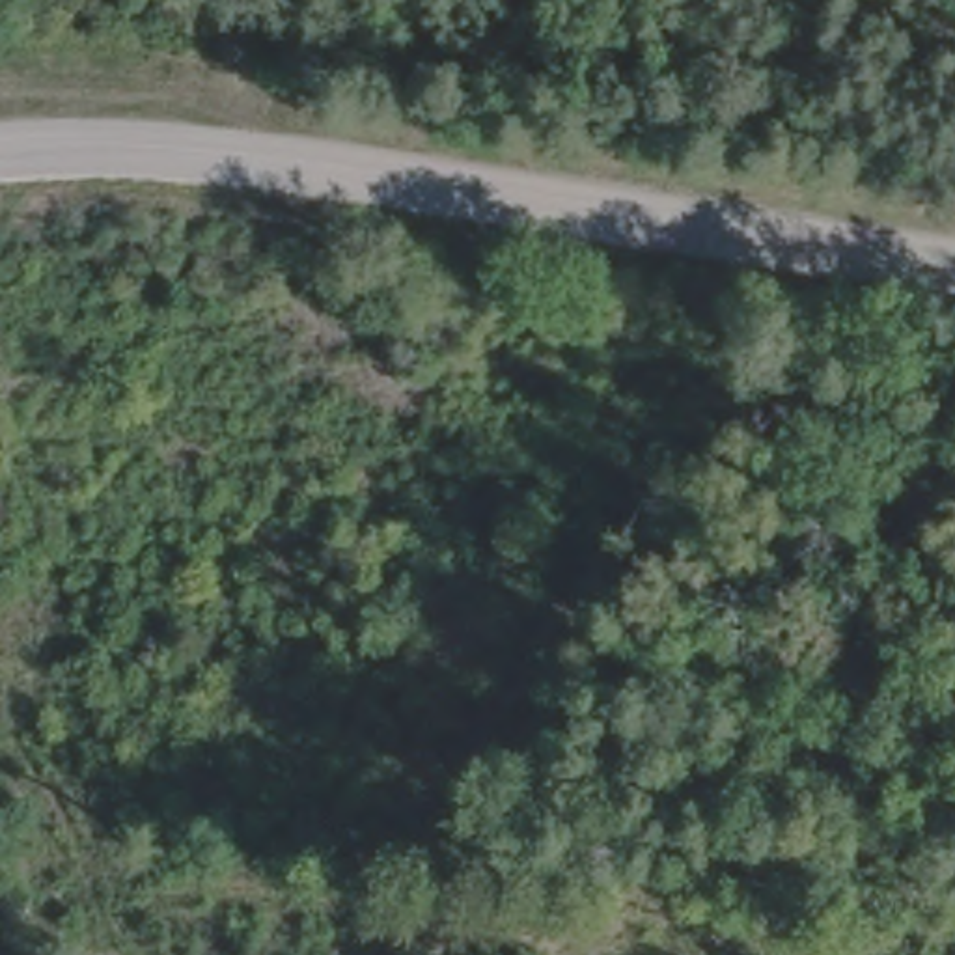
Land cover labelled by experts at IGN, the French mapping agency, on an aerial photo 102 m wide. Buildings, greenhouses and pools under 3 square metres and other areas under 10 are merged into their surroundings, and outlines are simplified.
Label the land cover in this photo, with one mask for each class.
<instances>
[{"label":"brushwood","instance_id":"1","mask_svg":"<svg viewBox=\"0 0 955 955\"><path fill-rule=\"evenodd\" d=\"M504 235L500 224H478L470 216H422L388 201L354 205L339 198H298L254 183H0V787L11 798L37 795L41 802L37 854L26 865L7 869L11 895H19V918L30 929H37L41 940H48L60 955H328L336 944V892L325 884L321 862L332 851L377 847L381 832L392 824L422 828L433 813L444 810L448 787L470 768L474 750L481 746L489 731L511 727L530 709L537 638L545 630H567L574 616L586 608V601L601 589L608 545L616 533L627 530L634 507L653 496L660 481L690 474V455H701L709 463L731 399V369L724 362L727 343L720 332V313L742 291L746 276L735 261L675 254L660 242L638 246L627 239H589V250L608 261L612 295L623 302V328L604 339V347H556L545 343L541 332L515 336L511 313L489 310V302L481 298V269L500 250Z\"/></svg>","mask_w":955,"mask_h":955},{"label":"deciduous trees","instance_id":"2","mask_svg":"<svg viewBox=\"0 0 955 955\"><path fill-rule=\"evenodd\" d=\"M37 4L48 15L60 7L71 19L86 15L93 22L90 37L97 45L142 41L153 52H194V11H164L157 0H0V45H15L22 41L30 26V7ZM537 37L552 45L545 48L541 75L533 78L526 67H492L489 75L459 71V116L466 127H478L485 145H496L504 123L511 119H519L533 142H548L552 134H560L567 112L578 108L589 142L604 153H612V138L634 116V93L623 86V75L616 67L601 71L597 86L586 90V71L597 48H627L619 0H545L537 4ZM481 298L489 302V310L511 313L515 336L541 332L545 343L556 347H604V339L623 328V302L612 295L608 261L589 250V239L574 235V224L567 216H526L519 231L504 235L500 250L481 269ZM783 295L791 298L795 351L836 347L847 392L836 403L813 399L810 410H795L791 418H783L776 436L768 440V470L746 466L739 504L750 511L761 492L776 496L780 530L768 541L776 563L765 571L709 578L705 586H675L679 608L671 612V627L657 649L660 668L657 679L642 686L645 709L638 739L657 742V754H686L690 765L686 780L653 791V813L664 832L705 824L709 865L694 877L701 899L690 903V918L679 921L645 895L649 858L634 854L627 862L612 858V851L604 847L612 836H623V810L608 802L597 768L582 776H560L552 768L526 772V761L519 754L481 746L474 750L470 768L448 787L444 810L433 813L422 828L392 824L381 832L377 847L332 851L321 862L325 884L336 892V944L328 955H955V888H910L903 910L865 914L858 907L854 869L828 862L813 877L798 858H765L754 865L750 836L768 821L791 824L798 817L802 798L813 795V802H824V795L839 783V791L854 798L858 810L880 806L884 821L899 828L888 843L899 847L895 862L914 858L921 847H948L955 854V302H944L933 280L925 276H895L888 284L847 280L836 287L780 280ZM41 802L37 795L11 798L0 787V895H11L7 869L26 865L37 854Z\"/></svg>","mask_w":955,"mask_h":955},{"label":"coniferous trees","instance_id":"3","mask_svg":"<svg viewBox=\"0 0 955 955\"><path fill-rule=\"evenodd\" d=\"M164 11H194V52L205 63L261 86L269 97L284 104H306L321 123L313 138L399 153H455L496 168L571 175L593 183H634L660 194H690L694 205H701L709 194L735 190L742 194V201H750V209H806L817 216L843 220L865 216L884 224L892 235L899 228H918L944 231L955 239V0H619L627 48H597L586 71V90L597 86L601 71L616 67L623 75V86L634 93V116L612 138V153H604L589 142L578 108L567 112L560 134H552L548 142H533L519 119H511L504 123L496 145H485L478 127H466L459 116V71L489 75L492 67H526L533 78L541 75L545 48L552 45L537 37V4L545 0H157ZM93 22L86 15L71 19L60 7L48 15L37 4L30 7V26L22 41L15 45V60L7 63V71H22L26 78L45 86H67L71 71L90 60H104L108 67H138L153 52L142 41L97 45L90 37ZM720 332L727 343L724 362L731 369V399L709 463L701 455H690V474L660 481L653 496L634 507L627 530L616 533L608 545L601 589L586 601V608L574 616L567 630H545L537 638L530 709L511 727L489 731L481 746L519 754L526 761V772L552 768L560 776H582L597 768L608 802L623 810V836H612L604 847L612 851V858L627 862L634 854L649 858L645 895L679 921L690 918V903L701 899L694 877L709 865L705 824L664 832L653 813V791L686 780L690 765L686 754H657V742L638 739L645 709L642 686L657 679L660 668L657 649L671 627V612L679 608L675 586H705L709 578L765 571L776 563L768 541L780 530L776 496L761 492L750 511L739 504L746 466L768 470V440L776 436L783 418H791L795 410H810L813 399L836 403L847 392L836 347L795 351L791 298L783 295L780 280L746 276L742 291L720 313ZM899 828L884 821L880 806L858 810L854 798L839 791V783L824 795V802H813V795L802 798L798 817L791 824L768 821L750 836L754 865L765 858H798L813 877L828 862L854 869L858 907L865 914L903 910L910 888H955V854L948 847H921L914 858L895 862L899 847L888 843ZM0 955H60L48 940H41L37 929H30L19 918V895H0Z\"/></svg>","mask_w":955,"mask_h":955},{"label":"impervious surface","instance_id":"4","mask_svg":"<svg viewBox=\"0 0 955 955\"><path fill-rule=\"evenodd\" d=\"M254 183L298 198H339L354 205L388 201L422 216H470L478 224H500L504 235L519 231L526 216H567L574 224V235L589 239H627L638 246L660 242L675 254L735 261L746 276L780 280L836 287L847 280L888 284L895 276H925L933 280L944 302H955V239L944 231L918 228H899L892 235L884 224L865 216L843 220L817 216L806 209H750V201H742V194L735 190L709 194L701 205H694L690 194H660L634 183H593L571 175L496 168L455 153H399L313 138L168 119H0V183Z\"/></svg>","mask_w":955,"mask_h":955},{"label":"agricultural land","instance_id":"5","mask_svg":"<svg viewBox=\"0 0 955 955\"><path fill-rule=\"evenodd\" d=\"M15 60V45H0V119H168L313 138L321 123L306 104H284L269 97L261 86L205 63L194 52H153L138 67H108L104 60H90L71 71L67 86H45L26 78L22 71H7V63Z\"/></svg>","mask_w":955,"mask_h":955}]
</instances>
